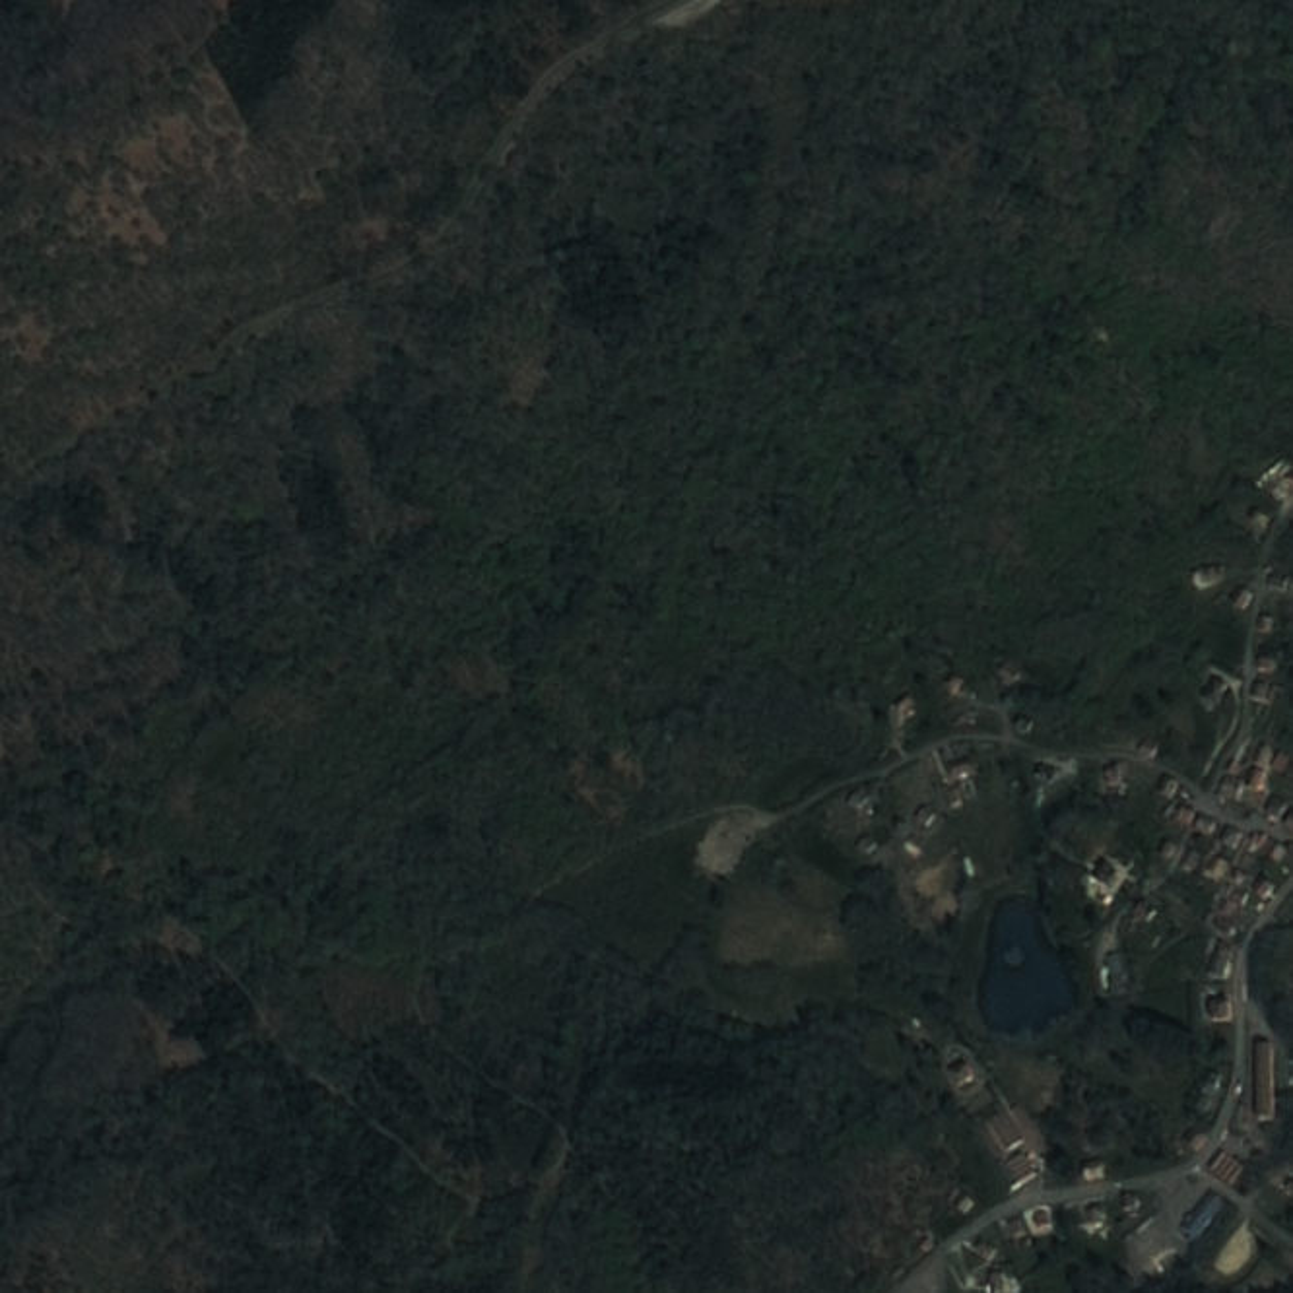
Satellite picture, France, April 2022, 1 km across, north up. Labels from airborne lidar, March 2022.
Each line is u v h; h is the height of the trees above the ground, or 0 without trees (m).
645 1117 20
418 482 24
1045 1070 0
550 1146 9
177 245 18
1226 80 16
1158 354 12
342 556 7
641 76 17
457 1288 19
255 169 15
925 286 12
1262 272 11
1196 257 15
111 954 9
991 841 0
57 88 27
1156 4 17
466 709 7
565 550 24
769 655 9
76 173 10
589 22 12
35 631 33
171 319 9
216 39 8
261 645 7
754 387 13
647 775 6
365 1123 10
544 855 15
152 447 26
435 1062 9
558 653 19
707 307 23
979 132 18
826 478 20
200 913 16
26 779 8
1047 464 12
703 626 21
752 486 22
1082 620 22
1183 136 12
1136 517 13
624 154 7
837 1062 23
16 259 8
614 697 10
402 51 19
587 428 26
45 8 14
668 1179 17
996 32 6
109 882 12
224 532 16
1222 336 15
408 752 9
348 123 14
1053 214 16
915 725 0
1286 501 0
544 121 8
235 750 0
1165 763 16
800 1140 25
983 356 19
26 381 10
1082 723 13
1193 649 8
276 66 9
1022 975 0
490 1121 12
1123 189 16
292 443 18
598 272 33
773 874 15
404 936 12
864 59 22
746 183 16
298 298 10
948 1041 9
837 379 17
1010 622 11
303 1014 17
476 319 20
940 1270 0
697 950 18
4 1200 18
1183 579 7
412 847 17
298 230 8
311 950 14
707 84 15
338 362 17
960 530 21
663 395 25
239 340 0
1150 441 14
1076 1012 11
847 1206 19
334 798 10
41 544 8
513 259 21
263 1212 16
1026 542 11
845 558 21
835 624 15
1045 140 9
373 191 15
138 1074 18
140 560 32
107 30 24
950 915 0
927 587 20
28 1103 23
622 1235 19
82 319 18
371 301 20
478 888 18
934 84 18
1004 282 23
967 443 16
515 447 26
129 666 24
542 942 24
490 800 26
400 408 31
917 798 0
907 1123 24
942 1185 7
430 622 23
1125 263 17
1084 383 10
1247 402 19
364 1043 9
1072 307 24
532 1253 14
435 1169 8
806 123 14
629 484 23
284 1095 9
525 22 10
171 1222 16
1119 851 0
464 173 13
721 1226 19
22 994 7
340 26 16
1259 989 20
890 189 19
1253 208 12
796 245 19
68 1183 21
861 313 21
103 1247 8
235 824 8
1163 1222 0
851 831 0
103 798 27
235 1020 13
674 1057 19
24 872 13
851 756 21
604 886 5
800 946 0
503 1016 9
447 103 26
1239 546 8
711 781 24
